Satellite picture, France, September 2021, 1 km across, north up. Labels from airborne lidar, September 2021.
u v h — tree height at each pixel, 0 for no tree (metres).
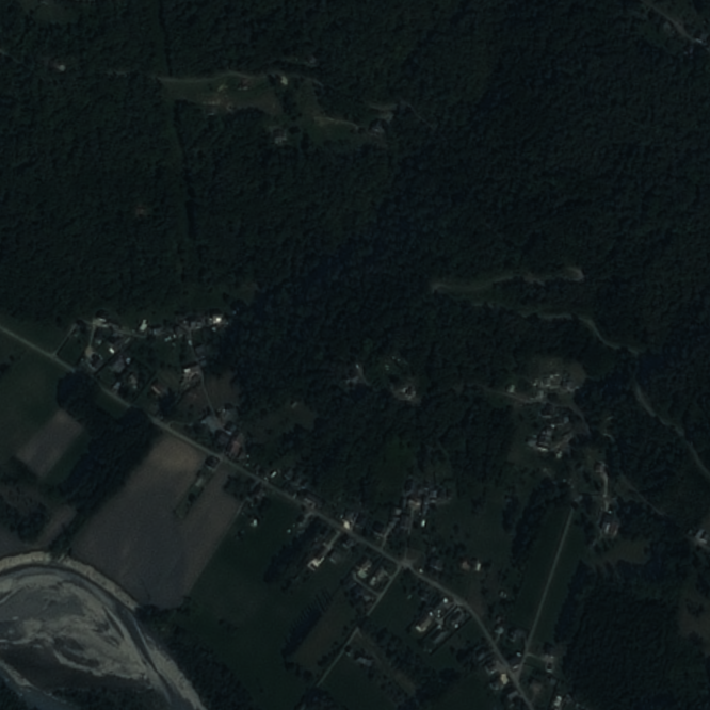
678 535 29
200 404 0
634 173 16
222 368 10
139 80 23
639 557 0
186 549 0
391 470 0
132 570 0
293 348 34
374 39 24
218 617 0
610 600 11
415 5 15
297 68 15
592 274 24
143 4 26
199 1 23
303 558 9
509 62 15
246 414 8
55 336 0
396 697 6
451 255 29
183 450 0
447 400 22
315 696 7
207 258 23
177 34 29
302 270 25
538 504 10
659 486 24
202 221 31
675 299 16
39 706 0
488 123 29
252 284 11
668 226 17
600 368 18
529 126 17
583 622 10
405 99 22
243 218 24
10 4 15
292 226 20
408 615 0
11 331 0
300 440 13
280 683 0
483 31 14
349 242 15
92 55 21
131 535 0
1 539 0
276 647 0
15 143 20
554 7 23
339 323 30
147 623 26
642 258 31
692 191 25
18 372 0
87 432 9
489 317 28
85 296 17
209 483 0
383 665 0
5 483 8
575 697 8
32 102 22
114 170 27
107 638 0
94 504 23
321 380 22
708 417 29
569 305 18
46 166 27
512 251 24
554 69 22
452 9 26
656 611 14
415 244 33
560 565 0
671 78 18
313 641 0
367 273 26
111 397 0
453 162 27
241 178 18
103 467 19
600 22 22
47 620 0
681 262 21
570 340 31
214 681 7
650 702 6
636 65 19
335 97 24
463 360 27
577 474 0
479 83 20
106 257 22
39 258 27
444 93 14
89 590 0
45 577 0
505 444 21
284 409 21
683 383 20
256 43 30
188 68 22
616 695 7
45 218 23
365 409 24
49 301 26
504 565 0
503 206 23
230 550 0
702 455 8
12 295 21
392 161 31
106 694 9
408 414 26
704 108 28
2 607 0
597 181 19
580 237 20
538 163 15
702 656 7
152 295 22
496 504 0
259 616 0
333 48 31
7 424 0
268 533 0
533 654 0
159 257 20
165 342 0
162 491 0
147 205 6
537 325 28
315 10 21
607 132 26
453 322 27
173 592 0
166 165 30
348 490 19
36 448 0
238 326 10
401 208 27
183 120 22
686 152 13
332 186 27
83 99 21
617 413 22
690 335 27
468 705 0
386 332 16
